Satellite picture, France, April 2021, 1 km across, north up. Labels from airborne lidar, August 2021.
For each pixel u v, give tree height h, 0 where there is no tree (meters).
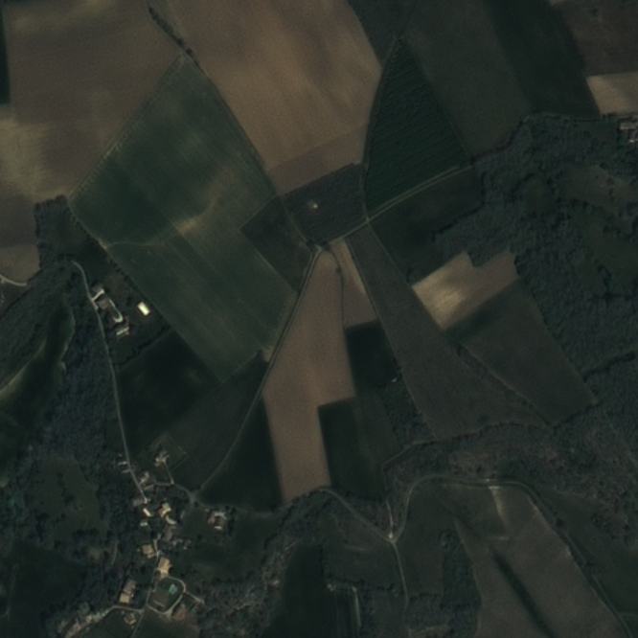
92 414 23
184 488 0
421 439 14
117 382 0
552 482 17
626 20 0
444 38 0
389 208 0
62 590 0
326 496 15
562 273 37
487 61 0
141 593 9
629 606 0
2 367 18
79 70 0
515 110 0
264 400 0
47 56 0
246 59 0
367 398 0
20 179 0
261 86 0
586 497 12
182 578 7
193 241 0
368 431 0
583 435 15
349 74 0
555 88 0
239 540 0
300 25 0
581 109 0
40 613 0
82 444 21
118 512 14
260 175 0
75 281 14
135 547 6
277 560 15
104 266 0
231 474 0
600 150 17
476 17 0
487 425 0
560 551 0
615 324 27
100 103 0
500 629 0
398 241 0
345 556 0
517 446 15
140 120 0
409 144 7
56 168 0
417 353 0
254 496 0
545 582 0
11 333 17
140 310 0
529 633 0
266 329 0
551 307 25
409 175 7
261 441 0
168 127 0
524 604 0
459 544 14
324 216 6
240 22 0
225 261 0
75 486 0
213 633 18
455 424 0
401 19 0
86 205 0
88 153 0
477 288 0
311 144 0
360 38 0
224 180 0
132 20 0
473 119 0
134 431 0
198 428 0
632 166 13
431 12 0
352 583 9
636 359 22
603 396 18
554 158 18
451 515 0
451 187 0
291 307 0
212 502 0
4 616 0
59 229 0
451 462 10
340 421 0
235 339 0
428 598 15
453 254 14
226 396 0
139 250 0
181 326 0
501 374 0
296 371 0
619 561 0
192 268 0
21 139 0
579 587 0
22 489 13
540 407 0
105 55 0
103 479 7
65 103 0
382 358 0
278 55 0
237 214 0
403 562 0
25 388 0
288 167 0
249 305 0
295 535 20
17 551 0
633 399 24
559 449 13
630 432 16
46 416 0
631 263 0
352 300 0
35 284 14
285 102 0
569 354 14
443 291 0
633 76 0
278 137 0
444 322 0
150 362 0
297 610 0
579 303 30
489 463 12
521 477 0
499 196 24
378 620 0
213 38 0
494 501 0
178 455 0
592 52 0
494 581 0
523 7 0
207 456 0
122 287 0
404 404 7
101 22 0
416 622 15
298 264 0
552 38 0
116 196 0
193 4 0
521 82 0
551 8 0
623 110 0
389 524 8
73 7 0
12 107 0
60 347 0
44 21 0
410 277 12
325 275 0
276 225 0
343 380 0
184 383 0
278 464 0
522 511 0
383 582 0
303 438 0
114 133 0
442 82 0
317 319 0
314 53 0
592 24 0
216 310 0
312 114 0
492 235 8
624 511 11
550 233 23
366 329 0
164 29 9
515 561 0
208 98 0
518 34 0
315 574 0
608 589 0
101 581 14
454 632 16
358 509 8
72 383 19
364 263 0
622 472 12
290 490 0
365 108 0
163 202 0
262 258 0
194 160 0
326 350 0
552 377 0
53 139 0
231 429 0
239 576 0
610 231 16
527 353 0
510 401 7
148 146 0
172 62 0
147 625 0
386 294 0
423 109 6
